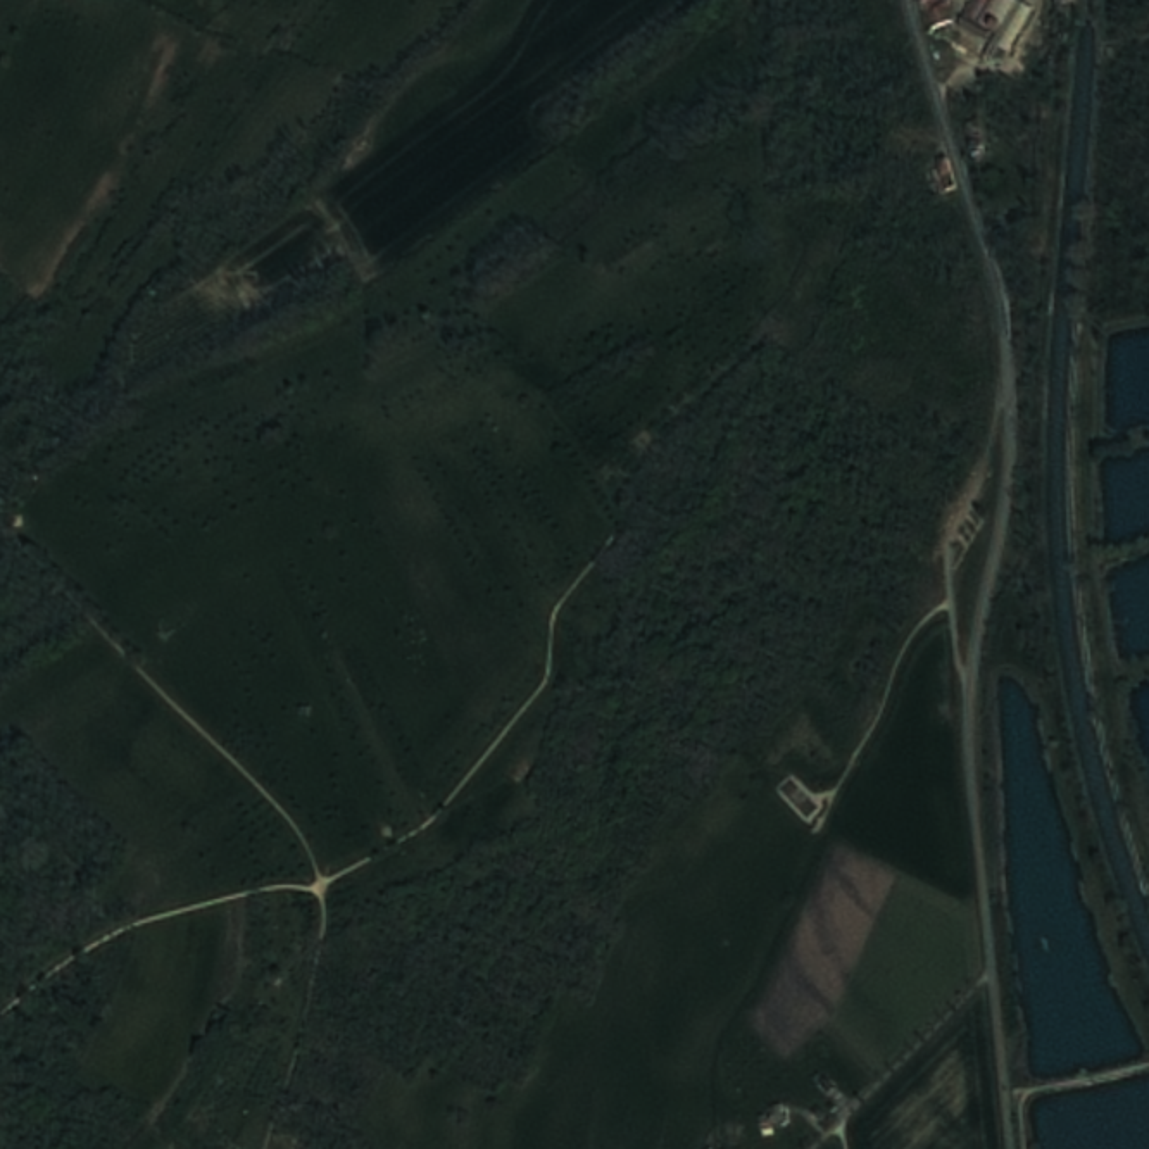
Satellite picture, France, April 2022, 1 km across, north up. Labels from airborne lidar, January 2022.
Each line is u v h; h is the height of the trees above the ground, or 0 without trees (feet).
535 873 73
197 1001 0
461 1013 59
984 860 0
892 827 0
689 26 62
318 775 0
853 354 18
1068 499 0
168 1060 0
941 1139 0
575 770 95
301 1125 62
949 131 0
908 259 90
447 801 0
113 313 0
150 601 0
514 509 0
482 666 0
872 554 83
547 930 72
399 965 41
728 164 0
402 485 0
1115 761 0
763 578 80
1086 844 0
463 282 33
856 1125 0
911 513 81
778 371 61
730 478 52
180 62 0
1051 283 0
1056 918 0
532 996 104
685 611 80
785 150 60
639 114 0
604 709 68
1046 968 0
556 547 0
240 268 0
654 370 0
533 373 0
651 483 54
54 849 82
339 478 0
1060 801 0
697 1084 0
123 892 0
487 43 0
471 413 0
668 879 0
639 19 0
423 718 0
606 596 0
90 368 0
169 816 0
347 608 0
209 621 0
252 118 0
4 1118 73
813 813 0
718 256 18
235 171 0
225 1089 24
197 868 0
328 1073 35
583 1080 0
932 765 0
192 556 0
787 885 0
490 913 77
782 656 88
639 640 66
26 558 70
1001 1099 0
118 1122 31
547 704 0
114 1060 0
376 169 0
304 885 0
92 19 0
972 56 0
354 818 0
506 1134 0
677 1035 0
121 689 0
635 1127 0
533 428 0
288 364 0
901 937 0
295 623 0
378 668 0
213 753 0
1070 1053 0
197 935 0
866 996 0
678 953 0
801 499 51
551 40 0
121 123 0
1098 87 0
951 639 0
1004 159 0
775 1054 0
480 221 0
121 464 0
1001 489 0
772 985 0
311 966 35
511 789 0
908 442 79
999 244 61
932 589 0
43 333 29
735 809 0
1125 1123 0
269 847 0
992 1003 0
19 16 0
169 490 0
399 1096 0
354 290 48
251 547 0
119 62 0
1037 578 27
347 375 0
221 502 0
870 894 0
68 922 83
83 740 0
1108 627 0
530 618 0
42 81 0
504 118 0
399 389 0
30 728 0
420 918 34
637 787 73
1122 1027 0
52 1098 50
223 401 0
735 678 79
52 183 0
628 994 0
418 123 0
